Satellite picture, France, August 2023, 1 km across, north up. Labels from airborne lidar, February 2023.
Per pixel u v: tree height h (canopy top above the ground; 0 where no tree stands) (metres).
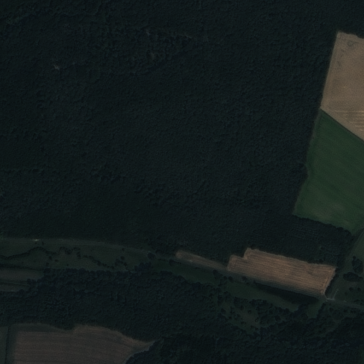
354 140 0
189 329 25
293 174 18
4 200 19
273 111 19
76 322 13
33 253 0
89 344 0
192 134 15
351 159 0
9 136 22
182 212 25
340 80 0
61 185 20
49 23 24
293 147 17
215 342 21
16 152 21
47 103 23
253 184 19
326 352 24
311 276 0
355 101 0
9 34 22
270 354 27
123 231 21
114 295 24
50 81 19
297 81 16
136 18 26
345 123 0
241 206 16
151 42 23
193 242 17
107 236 24
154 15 22
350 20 20
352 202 0
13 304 7
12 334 0
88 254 0
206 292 11
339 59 0
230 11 23
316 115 17
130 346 0
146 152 18
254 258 0
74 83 23
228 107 25
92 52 20
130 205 26
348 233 15
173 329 22
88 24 27
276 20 27
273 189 16
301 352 25
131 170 20
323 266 0
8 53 25
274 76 21
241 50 19
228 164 16
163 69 20
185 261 0
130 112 20
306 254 17
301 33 25
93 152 22
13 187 21
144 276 31
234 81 19
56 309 26
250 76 22
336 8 22
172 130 16
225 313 14
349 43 0
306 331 18
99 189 27
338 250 15
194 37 22
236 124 23
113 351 0
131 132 19
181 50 0
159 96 22
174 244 15
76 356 0
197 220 18
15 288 0
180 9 23
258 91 23
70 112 21
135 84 24
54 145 20
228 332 28
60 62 20
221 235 15
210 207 14
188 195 10
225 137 20
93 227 26
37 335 0
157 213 24
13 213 25
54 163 24
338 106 0
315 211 0
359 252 0
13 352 0
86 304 29
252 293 0
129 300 19
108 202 25
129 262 0
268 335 28
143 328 22
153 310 27
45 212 25
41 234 26
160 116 20
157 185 19
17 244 0
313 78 17
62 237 20
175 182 16
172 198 22
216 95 22
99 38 20
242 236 20
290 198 17
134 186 14
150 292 27
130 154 20
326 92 0
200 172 18
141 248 14
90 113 25
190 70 21
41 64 25
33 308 6
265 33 23
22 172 19
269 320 13
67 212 19
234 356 26
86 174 22
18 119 22
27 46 21
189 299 28
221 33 17
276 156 18
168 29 19
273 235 20
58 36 19
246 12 21
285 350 20
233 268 0
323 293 0
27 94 22
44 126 25
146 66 17
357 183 0
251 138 12
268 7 26
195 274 0
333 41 16
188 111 20
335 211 0
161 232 15
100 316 26
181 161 15
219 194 20
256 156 21
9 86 19
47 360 0
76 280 23
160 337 18
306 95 21
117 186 28
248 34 22
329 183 0
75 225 25
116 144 21
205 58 25
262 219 21
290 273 0
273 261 0
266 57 25
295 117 13
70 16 21
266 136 18
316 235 20
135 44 13
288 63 24
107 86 24
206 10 20
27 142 21
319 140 0
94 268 0
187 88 21
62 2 22
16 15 13
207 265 0
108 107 20
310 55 22
